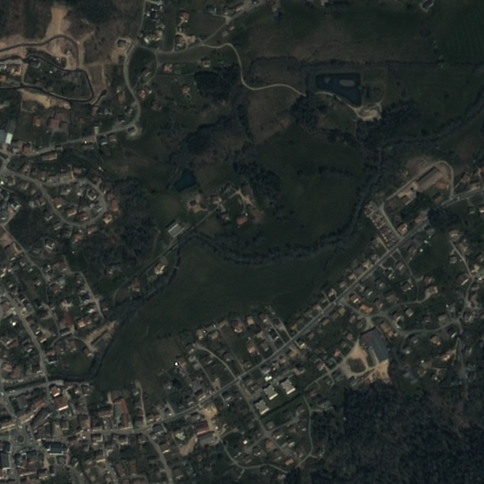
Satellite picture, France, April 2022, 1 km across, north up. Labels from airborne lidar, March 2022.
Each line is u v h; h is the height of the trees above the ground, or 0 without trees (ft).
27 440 0
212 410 0
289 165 0
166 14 0
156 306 0
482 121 0
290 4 0
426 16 0
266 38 0
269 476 0
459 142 0
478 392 57
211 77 55
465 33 0
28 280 0
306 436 0
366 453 49
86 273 22
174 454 0
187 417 0
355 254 0
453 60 0
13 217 0
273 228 0
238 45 24
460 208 0
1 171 0
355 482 61
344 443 52
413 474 108
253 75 43
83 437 0
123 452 39
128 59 0
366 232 0
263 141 0
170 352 0
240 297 0
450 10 0
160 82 0
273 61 47
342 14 0
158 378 0
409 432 67
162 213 0
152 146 0
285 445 0
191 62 0
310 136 50
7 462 0
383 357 0
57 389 0
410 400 25
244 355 0
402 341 0
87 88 0
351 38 0
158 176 0
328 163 0
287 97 0
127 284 0
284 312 0
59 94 0
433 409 76
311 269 0
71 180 0
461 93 0
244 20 0
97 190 0
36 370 0
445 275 0
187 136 0
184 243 66
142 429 0
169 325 0
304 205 0
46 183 0
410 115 76
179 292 0
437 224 90
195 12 0
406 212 26
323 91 0
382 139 71
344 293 0
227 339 0
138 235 77
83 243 0
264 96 0
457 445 119
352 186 0
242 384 0
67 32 0
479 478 75
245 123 73
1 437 0
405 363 59
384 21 0
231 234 0
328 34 0
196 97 0
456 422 21
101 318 0
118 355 0
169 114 63
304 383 0
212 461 25
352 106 0
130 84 0
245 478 0
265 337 0
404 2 0
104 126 0
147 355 0
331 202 0
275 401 0
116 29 0
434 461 86
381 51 0
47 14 0
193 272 0
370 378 0
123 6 0
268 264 56
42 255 0
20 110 0
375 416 68
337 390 51
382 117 0
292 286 0
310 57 0
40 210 0
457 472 87
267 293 0
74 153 50
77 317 0
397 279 0
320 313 0
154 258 0
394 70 48
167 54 0
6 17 64
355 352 0
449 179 0
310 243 0
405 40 0
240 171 85
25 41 0
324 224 0
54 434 0
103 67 0
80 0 121
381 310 0
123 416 0
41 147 0
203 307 0
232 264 65
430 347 0
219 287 0
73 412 0
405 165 0
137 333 0
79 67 0
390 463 68
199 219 0
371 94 56
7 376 0
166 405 0
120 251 24
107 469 0
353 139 53
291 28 0
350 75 0
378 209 0
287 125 0
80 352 0
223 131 78
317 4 0
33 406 0
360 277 0
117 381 0
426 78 0
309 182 0
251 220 0
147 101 0
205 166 36
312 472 0
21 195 21
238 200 0
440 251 0
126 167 0
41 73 0
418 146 56
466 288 0
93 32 0
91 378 42
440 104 0
